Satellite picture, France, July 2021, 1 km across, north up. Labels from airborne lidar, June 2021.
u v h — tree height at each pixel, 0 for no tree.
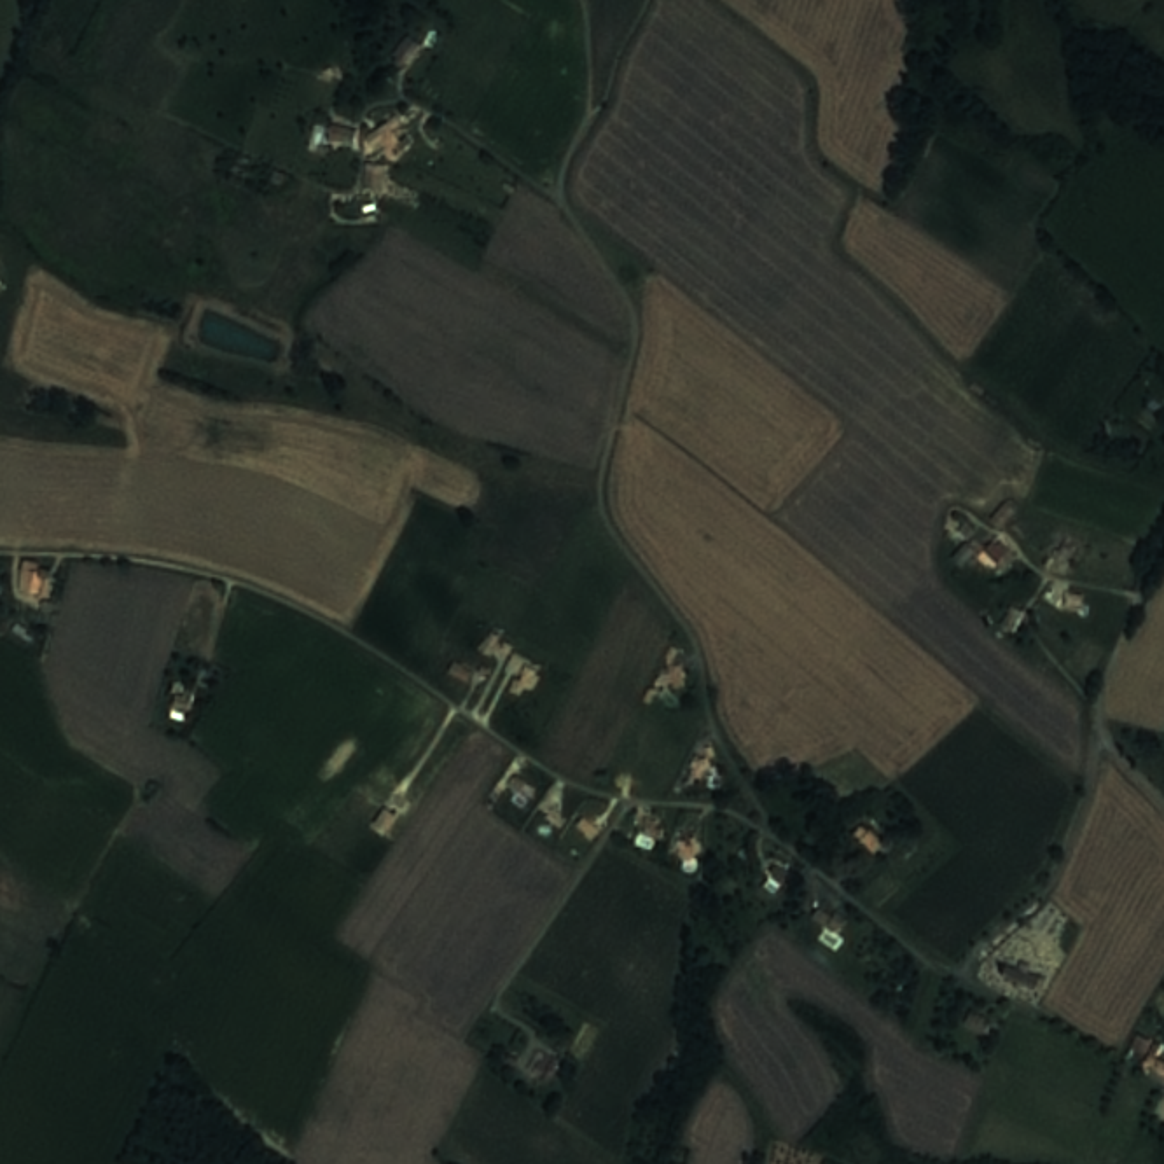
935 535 0
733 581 0
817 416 0
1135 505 0
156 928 0
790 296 0
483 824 0
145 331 0
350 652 0
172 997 0
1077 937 0
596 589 0
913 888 0
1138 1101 0
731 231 0
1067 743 0
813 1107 0
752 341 0
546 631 0
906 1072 0
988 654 0
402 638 0
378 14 14
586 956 0
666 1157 9
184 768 0
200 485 0
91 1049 0
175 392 0
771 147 0
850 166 0
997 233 0
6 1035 0
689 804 0
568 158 0
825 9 0
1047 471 0
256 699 0
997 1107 0
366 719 0
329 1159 0
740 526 0
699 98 0
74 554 0
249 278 0
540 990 0
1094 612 0
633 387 0
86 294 0
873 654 0
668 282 0
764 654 0
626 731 0
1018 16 0
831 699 0
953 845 0
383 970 0
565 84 0
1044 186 0
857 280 0
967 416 0
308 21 0
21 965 0
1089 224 0
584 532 0
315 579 0
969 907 0
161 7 0
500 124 0
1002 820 0
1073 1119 0
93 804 0
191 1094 16
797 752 0
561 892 0
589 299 0
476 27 0
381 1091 0
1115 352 0
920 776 0
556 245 0
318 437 0
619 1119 0
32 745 0
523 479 0
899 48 0
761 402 0
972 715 0
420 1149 0
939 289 0
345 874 0
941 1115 0
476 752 0
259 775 0
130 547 0
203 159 0
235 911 0
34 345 0
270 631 0
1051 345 0
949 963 0
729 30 0
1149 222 0
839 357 0
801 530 0
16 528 0
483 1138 0
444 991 0
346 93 8
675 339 0
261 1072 0
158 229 0
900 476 0
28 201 0
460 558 0
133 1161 6
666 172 0
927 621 0
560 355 0
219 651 0
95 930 0
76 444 0
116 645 0
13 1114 0
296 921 0
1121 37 14
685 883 0
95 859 0
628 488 0
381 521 0
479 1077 0
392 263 0
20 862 0
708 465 0
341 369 0
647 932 0
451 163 0
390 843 0
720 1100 0
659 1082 15
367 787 0
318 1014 0
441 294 0
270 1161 17
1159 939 0
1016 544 0
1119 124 11
